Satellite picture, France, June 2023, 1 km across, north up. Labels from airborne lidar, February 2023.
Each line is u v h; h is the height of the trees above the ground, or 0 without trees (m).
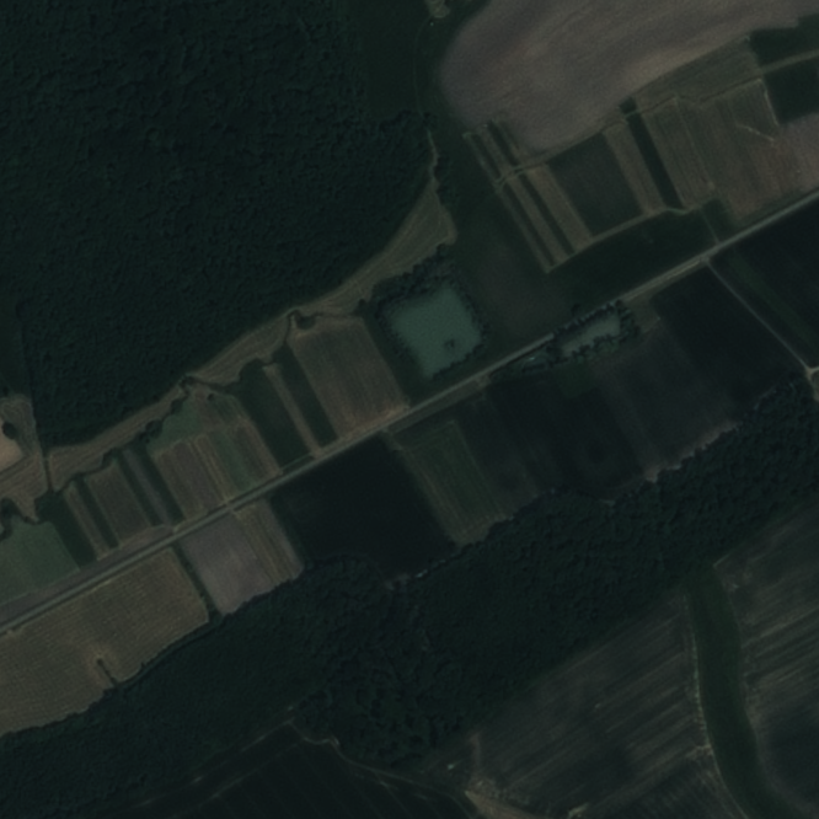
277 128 27
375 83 0
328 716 21
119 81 27
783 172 0
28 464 0
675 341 0
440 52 0
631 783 0
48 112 26
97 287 25
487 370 0
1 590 0
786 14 0
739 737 0
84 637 0
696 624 0
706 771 0
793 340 0
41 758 10
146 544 0
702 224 0
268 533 0
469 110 0
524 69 0
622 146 0
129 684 7
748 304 0
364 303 9
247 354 0
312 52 25
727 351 0
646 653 0
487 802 0
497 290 0
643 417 0
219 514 0
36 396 18
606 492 0
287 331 0
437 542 0
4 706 0
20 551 0
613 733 0
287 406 0
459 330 0
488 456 0
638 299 0
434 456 0
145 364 24
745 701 0
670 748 0
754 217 0
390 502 0
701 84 0
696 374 0
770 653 0
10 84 22
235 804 0
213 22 29
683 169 0
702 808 0
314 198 22
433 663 25
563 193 0
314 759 0
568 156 0
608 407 0
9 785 17
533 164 0
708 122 0
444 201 13
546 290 0
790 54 0
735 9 0
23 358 7
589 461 0
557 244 0
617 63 0
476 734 0
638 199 0
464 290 11
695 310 0
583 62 0
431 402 0
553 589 22
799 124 0
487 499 0
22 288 18
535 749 0
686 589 0
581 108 0
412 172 21
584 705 0
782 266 0
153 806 0
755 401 0
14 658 0
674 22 0
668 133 0
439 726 24
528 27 0
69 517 0
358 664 23
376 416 0
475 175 0
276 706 10
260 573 0
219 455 0
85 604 0
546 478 0
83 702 0
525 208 0
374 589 27
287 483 0
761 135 0
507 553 18
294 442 0
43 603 0
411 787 0
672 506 22
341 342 0
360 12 0
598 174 0
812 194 0
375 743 25
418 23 0
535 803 0
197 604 0
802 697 0
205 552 0
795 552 0
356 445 0
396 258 0
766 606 0
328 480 0
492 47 0
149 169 26
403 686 25
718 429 0
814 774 0
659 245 0
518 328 0
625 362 0
